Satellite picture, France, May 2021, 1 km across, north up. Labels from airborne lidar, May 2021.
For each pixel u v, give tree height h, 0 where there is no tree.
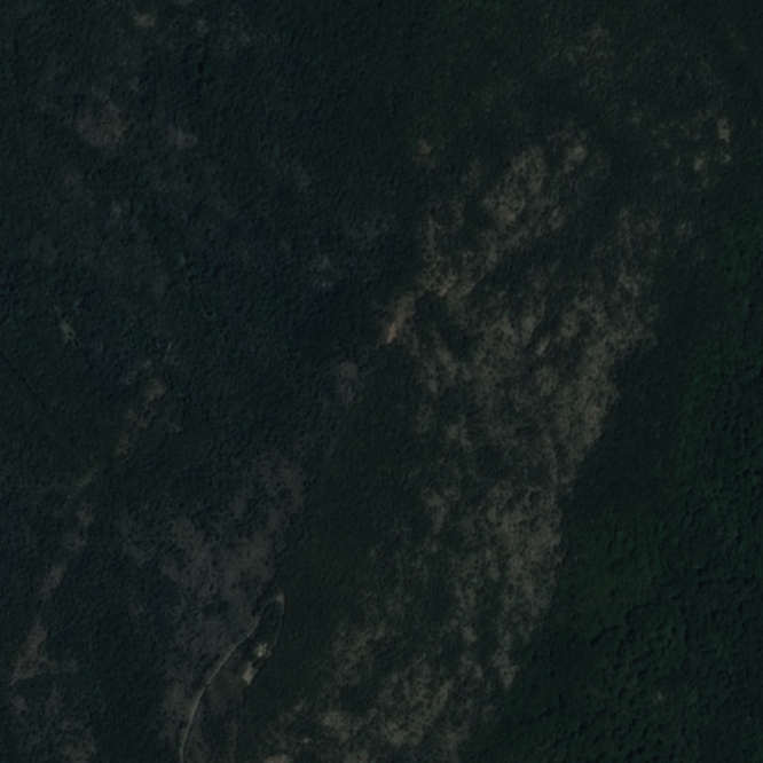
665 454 22
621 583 7
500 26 12
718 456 23
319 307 7
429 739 11
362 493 12
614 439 15
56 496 9
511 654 7
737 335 13
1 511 6
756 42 10
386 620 7
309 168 7
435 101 8
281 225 8
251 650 8
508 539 0
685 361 17
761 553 18
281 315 7
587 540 7
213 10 8
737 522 14
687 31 12
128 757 10
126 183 13
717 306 20
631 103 6
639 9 9
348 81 10
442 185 9
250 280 8
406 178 5
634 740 12
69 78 10
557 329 11
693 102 9
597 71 7
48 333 9
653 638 13
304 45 15
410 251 7
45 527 13
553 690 18
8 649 6
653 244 8
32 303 7
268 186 9
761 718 17
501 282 9
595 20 10
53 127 16
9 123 9
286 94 6
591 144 7
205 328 10
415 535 7
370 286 8
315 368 7
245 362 9
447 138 7
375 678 7
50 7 7
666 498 17
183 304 9
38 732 6
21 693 6
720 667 14
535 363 6
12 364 12
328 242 14
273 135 8
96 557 7
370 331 9
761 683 18
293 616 8
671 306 9
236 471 7
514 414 9
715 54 12
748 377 12
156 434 10
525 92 8
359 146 6
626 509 17
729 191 11
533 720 13
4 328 10
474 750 10
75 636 7
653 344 8
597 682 14
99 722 8
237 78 11
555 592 7
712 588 29
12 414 9
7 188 6
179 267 12
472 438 8
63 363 9
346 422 8
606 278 10
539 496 10
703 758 11
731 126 10
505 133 12
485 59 12
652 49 8
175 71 8
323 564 9
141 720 12
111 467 7
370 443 10
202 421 8
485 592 11
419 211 7
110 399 10
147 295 7
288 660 7
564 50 8
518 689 19
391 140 9
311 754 9
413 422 9
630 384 13
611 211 13
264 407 8
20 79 17
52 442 10
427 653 9
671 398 20
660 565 19
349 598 8
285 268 9
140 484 5
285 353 9
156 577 7
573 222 8
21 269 13
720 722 18
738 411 17
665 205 7
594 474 14
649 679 19
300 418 7
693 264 8
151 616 6
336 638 9
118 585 7
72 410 10
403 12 15
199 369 6
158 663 7
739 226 15
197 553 0
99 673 8
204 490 10
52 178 10
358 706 10
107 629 11
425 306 13
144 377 6
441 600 9
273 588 10
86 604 6
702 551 14
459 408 10
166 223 11
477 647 8
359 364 6
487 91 8
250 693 9
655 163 11
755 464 14
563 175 7
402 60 7
